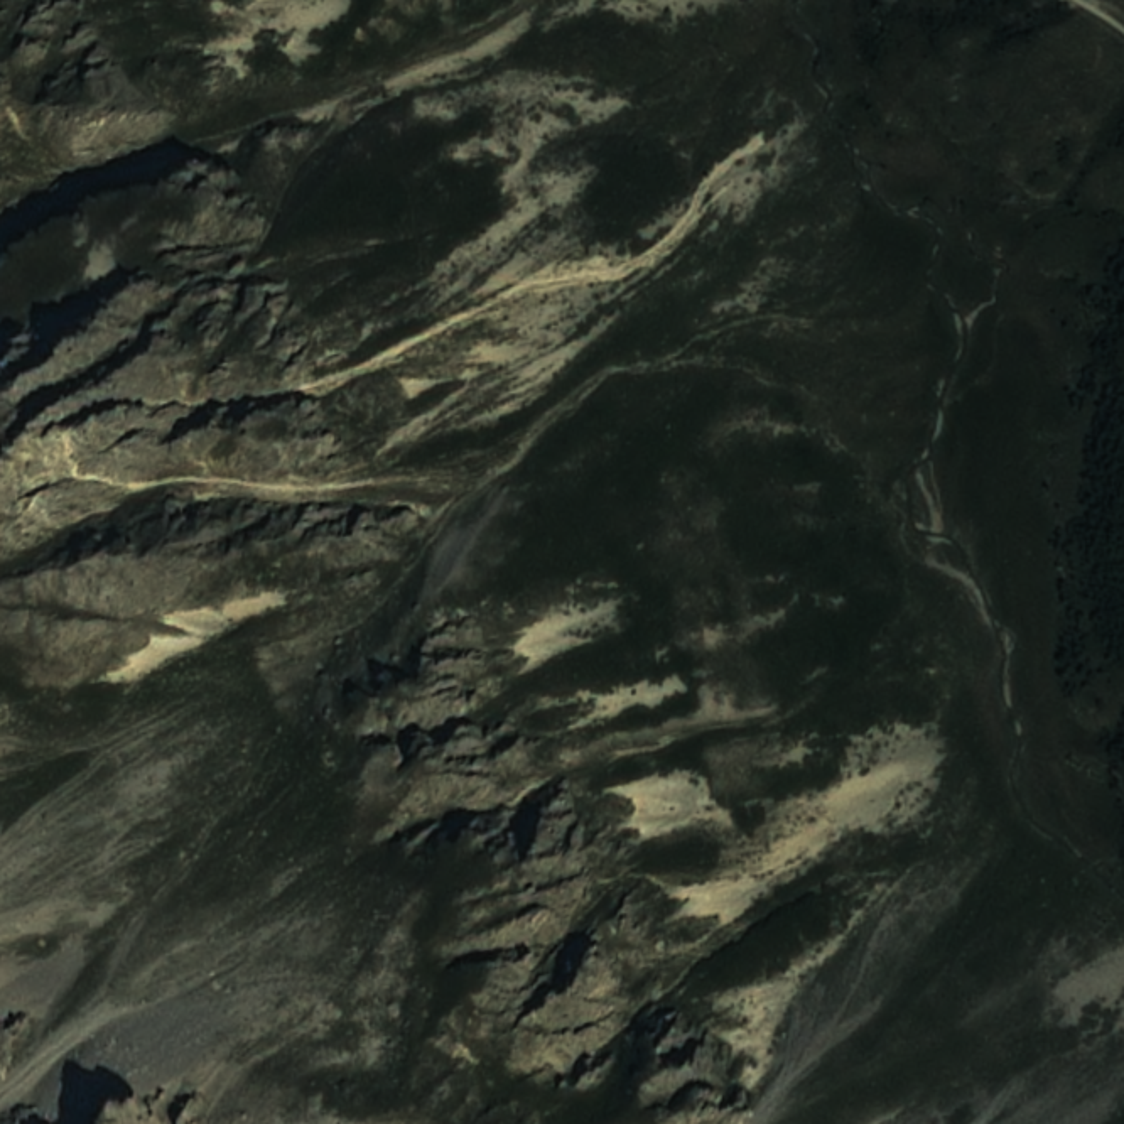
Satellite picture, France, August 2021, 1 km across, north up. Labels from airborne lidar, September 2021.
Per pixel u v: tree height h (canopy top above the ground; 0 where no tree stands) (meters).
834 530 0
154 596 0
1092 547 6
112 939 0
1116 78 0
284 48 0
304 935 0
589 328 0
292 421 0
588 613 0
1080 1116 0
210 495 0
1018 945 0
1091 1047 0
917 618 0
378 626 0
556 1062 0
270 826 0
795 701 0
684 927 0
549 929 0
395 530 0
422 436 0
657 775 0
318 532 0
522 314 0
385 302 0
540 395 0
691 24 0
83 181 0
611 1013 0
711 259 0
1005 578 0
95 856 0
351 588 0
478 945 0
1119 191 0
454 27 0
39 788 0
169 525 0
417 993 0
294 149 0
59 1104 0
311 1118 0
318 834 0
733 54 0
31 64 0
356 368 0
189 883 0
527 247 0
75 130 0
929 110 0
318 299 0
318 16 0
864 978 0
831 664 0
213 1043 0
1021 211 0
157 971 0
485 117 0
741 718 0
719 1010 0
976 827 0
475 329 0
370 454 0
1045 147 0
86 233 0
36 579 0
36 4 0
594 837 0
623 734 0
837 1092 0
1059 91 0
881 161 0
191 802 0
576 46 0
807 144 0
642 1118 0
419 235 0
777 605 0
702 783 0
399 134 0
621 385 0
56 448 0
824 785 0
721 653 0
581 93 0
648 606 0
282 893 0
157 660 0
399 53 0
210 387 0
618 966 0
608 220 0
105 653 0
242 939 0
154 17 0
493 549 0
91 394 0
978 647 0
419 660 0
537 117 0
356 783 0
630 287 0
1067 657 9
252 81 0
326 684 0
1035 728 0
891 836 0
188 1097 0
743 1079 0
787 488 0
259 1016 0
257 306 0
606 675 0
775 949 0
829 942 0
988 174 0
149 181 0
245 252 0
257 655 0
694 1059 0
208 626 0
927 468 0
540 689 0
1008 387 0
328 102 0
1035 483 0
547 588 0
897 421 0
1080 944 0
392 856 0
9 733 0
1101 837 0
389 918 0
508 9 0
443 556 0
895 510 0
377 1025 0
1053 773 0
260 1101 0
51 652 0
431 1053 0
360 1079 0
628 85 0
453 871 0
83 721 0
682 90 0
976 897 0
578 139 0
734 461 0
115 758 0
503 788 0
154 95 0
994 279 0
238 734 0
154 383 0
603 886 0
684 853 0
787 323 0
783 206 0
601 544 0
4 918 0
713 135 0
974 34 0
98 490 0
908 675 0
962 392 0
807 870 0
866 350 0
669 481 0
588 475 0
